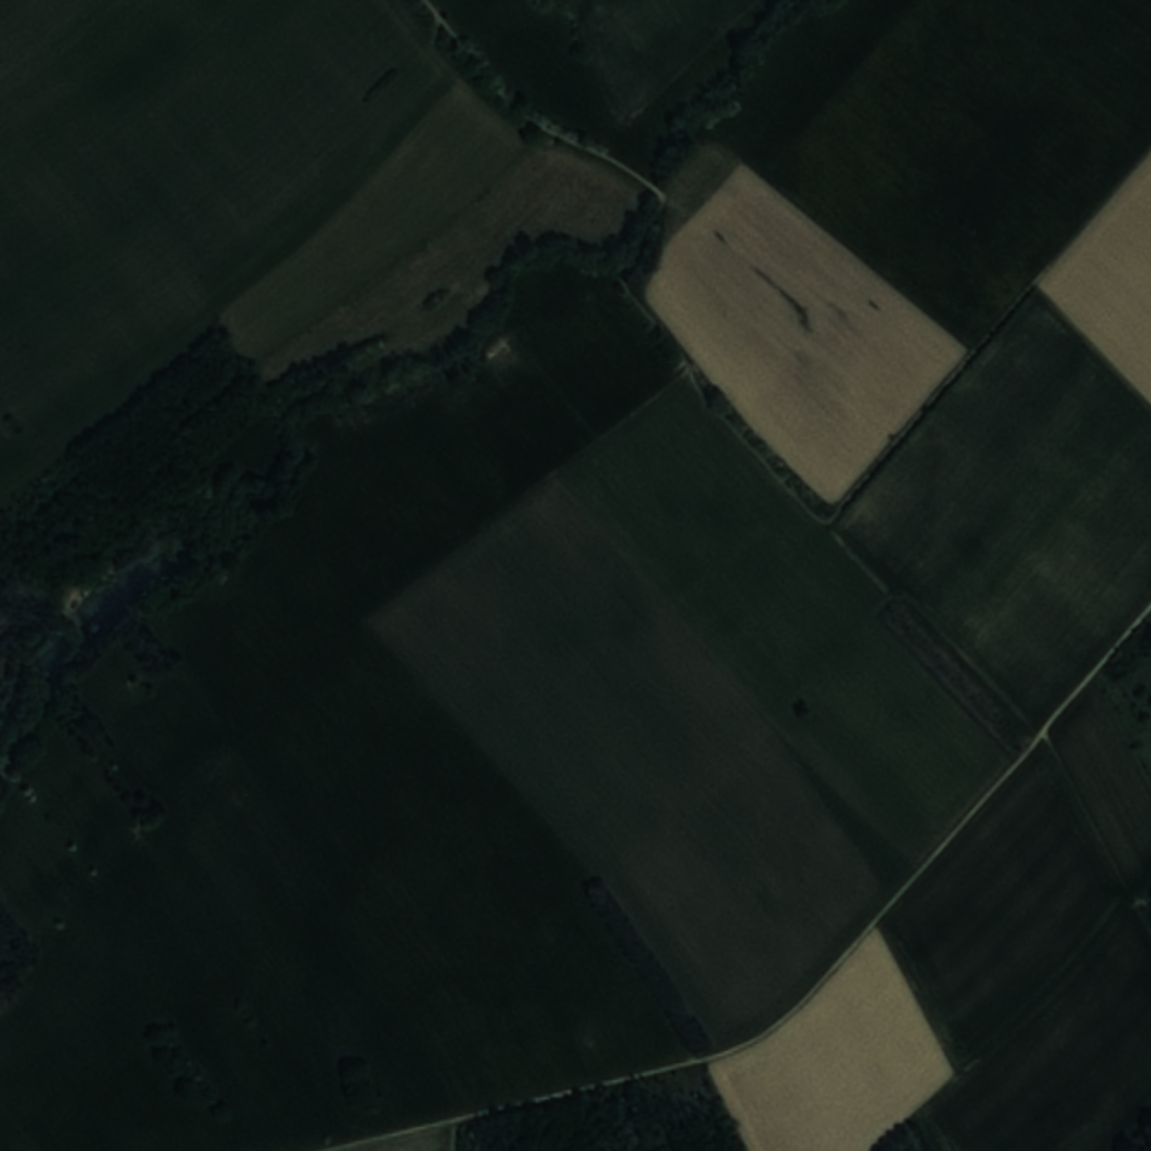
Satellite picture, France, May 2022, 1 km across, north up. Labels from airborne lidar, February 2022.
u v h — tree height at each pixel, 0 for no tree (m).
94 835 0
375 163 0
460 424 0
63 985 0
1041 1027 0
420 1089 0
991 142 0
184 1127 0
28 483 0
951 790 0
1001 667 0
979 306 0
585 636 0
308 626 0
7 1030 0
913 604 0
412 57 0
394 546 0
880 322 0
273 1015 0
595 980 0
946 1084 0
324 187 0
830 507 0
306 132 0
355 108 0
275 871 0
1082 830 0
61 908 0
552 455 0
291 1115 0
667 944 0
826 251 0
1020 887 0
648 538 0
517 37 0
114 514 14
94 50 0
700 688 0
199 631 0
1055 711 0
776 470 9
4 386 0
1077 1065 0
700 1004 0
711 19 0
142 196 0
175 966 0
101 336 0
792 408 0
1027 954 0
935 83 0
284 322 0
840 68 0
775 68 0
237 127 0
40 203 0
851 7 0
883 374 0
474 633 0
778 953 0
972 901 0
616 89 0
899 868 0
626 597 0
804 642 0
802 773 0
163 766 0
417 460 0
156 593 30
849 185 0
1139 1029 0
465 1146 6
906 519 0
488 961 0
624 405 0
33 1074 0
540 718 0
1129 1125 0
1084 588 0
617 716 0
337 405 19
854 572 0
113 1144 0
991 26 0
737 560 0
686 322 0
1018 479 0
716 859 0
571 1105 15
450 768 0
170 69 0
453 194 0
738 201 0
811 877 0
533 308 0
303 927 0
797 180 0
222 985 0
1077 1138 0
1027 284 0
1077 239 0
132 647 24
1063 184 0
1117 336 0
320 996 0
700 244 0
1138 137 0
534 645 0
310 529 0
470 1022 0
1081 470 0
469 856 0
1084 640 0
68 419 0
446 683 0
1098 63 0
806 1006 0
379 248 0
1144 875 0
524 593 0
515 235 0
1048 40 0
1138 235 0
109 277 0
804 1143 0
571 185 0
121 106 0
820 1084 0
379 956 0
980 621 0
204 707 0
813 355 0
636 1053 0
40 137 0
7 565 16
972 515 0
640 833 0
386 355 0
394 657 0
